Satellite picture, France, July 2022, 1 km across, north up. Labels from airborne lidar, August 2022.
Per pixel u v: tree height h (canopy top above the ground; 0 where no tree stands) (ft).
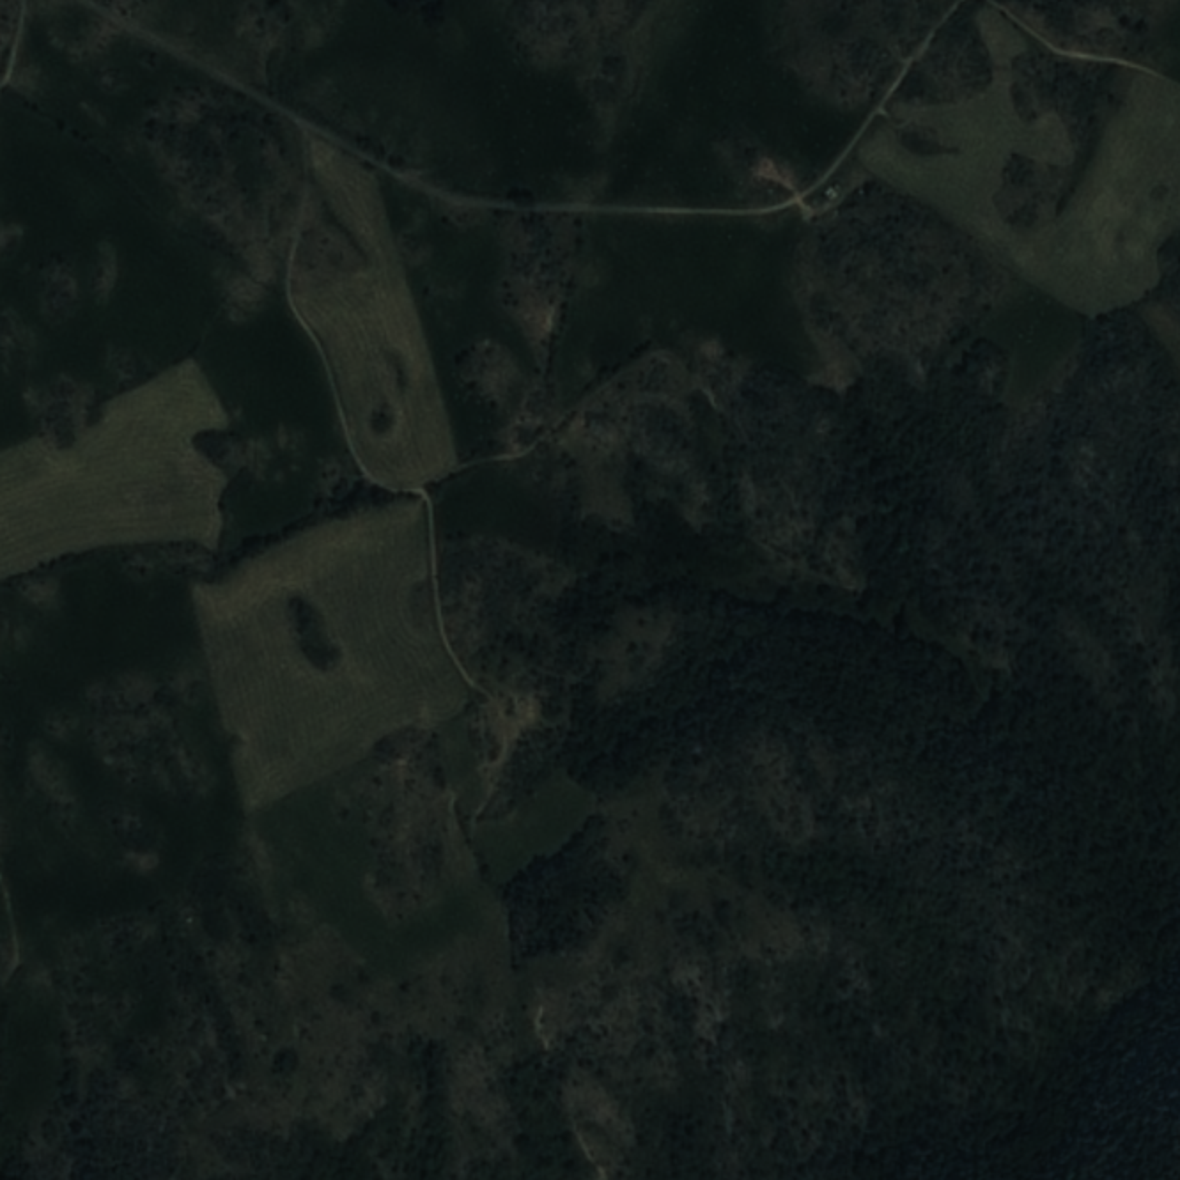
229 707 0
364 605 0
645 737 57
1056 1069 58
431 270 0
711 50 0
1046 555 29
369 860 0
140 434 0
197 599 0
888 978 18
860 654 61
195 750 0
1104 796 22
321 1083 0
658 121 0
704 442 22
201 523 0
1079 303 0
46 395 0
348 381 0
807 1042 23
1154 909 94
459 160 0
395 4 64
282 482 0
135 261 0
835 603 48
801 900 24
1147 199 0
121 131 0
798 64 0
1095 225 0
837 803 24
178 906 0
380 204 0
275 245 0
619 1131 0
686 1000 19
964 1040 46
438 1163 20
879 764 37
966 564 24
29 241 0
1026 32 0
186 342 0
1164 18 0
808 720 35
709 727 26
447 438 0
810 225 0
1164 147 0
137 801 0
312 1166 37
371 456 0
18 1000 0
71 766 0
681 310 0
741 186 0
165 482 0
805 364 0
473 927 0
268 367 0
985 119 0
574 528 24
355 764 0
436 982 0
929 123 0
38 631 0
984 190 0
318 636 0
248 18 0
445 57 0
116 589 0
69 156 0
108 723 0
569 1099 0
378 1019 0
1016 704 49
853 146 0
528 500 0
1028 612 19
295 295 0
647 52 0
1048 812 51
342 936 0
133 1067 19
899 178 0
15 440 0
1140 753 45
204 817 0
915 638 49
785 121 0
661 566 17
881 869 23
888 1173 53
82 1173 43
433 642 0
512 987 0
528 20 0
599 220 0
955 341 28
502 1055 0
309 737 0
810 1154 22
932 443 34
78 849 0
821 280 0
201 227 0
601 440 0
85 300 0
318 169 0
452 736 0
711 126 0
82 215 0
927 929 24
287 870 0
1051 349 0
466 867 0
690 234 0
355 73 0
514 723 0
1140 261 0
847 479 47
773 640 57
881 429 25
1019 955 25
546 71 0
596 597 49
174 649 0
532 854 0
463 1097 0
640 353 28
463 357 22
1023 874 35
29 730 0
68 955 0
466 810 0
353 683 0
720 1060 23
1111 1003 22
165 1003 0
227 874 0
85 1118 36
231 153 0
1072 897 57
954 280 0
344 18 0
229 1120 0
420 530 0
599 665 18
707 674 60
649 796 0
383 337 0
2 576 0
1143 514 32
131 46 0
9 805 0
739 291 0
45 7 0
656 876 0
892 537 41
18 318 0
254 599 0
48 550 0
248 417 0
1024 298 0
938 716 32
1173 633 39
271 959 0
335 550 0
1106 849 52
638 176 0
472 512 0
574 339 0
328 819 0
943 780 20
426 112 0
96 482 0
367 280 0
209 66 0
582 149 0
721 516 29
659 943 0
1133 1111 23
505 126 0
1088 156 0
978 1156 97
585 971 0
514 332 0
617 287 0
